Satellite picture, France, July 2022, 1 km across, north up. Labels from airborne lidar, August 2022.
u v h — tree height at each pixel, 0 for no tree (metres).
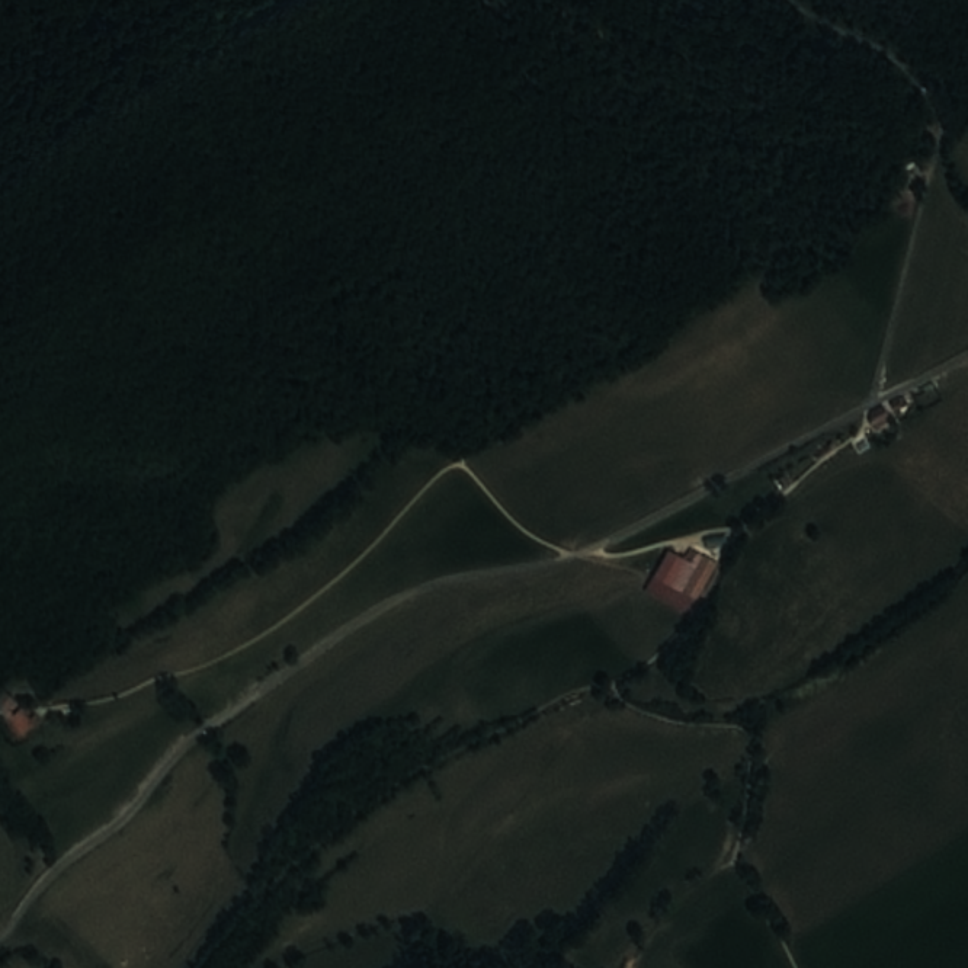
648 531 0
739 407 0
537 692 0
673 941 0
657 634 0
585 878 0
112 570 22
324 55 16
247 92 22
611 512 0
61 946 0
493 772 0
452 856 0
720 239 13
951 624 0
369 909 0
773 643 0
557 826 0
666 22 25
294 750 0
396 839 0
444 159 17
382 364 27
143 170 21
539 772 0
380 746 9
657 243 14
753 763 9
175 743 0
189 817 0
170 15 32
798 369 0
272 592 0
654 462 0
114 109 8
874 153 13
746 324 0
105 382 14
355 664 0
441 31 26
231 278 14
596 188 16
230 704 0
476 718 0
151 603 0
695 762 0
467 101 20
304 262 22
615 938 0
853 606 0
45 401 12
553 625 0
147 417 13
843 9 23
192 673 0
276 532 0
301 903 24
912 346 0
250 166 20
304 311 25
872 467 0
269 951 0
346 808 19
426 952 17
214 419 16
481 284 21
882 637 20
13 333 15
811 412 0
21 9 26
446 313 20
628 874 22
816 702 0
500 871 0
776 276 19
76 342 14
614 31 27
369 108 24
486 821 0
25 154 15
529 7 23
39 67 28
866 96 20
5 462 14
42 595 15
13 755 0
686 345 0
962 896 0
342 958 0
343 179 15
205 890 0
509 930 0
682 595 0
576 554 0
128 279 17
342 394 23
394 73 23
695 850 0
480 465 0
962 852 0
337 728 0
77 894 0
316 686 0
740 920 0
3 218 15
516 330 19
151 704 0
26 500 11
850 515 0
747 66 29
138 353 11
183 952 0
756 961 0
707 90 18
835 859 0
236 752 17
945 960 0
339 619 0
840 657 18
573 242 19
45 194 17
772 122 18
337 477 0
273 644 0
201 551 11
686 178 17
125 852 0
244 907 16
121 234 23
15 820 16
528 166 15
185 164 23
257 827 0
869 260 0
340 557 0
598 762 0
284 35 11
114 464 9
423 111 18
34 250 21
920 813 0
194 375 20
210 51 6
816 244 16
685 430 0
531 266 18
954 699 0
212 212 29
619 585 0
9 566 16
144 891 0
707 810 0
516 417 19
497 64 27
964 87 22
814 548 0
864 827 0
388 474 0
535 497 0
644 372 0
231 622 0
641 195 11
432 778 8
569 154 17
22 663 19
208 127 18
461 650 0
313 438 17
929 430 0
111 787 0
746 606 0
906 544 0
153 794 0
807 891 0
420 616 0
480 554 0
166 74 10
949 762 0
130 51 37
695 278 17
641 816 0
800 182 17
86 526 20
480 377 21
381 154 14
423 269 13
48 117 19
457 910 0
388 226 16
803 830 0
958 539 0
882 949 0
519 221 15
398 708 0
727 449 0
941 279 0
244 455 23
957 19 15
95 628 20
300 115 24
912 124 15
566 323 18
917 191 16
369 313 18
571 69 25
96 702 0
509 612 0
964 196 15
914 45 24
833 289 0
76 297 17
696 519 0
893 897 0
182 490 18
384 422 10
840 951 0
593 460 0
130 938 0
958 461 0
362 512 0
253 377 24
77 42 37
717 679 0
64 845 0
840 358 0
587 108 19
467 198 14
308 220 16
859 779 0
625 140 17
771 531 0
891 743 0
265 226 18
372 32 17
